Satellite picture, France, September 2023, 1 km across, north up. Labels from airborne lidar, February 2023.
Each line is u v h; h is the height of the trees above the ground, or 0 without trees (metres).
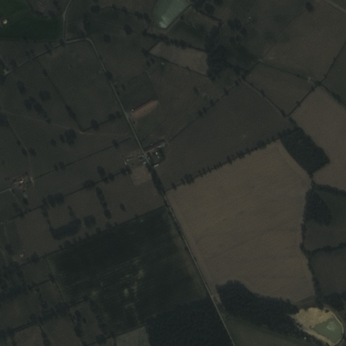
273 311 24
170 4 0
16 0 0
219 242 0
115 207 0
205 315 22
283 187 0
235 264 0
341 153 0
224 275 0
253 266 0
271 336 0
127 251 0
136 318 0
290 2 0
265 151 0
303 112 0
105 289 0
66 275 0
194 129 0
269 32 0
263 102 0
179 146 0
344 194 13
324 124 0
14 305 0
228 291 21
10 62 0
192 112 0
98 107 0
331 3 0
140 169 0
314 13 0
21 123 0
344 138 0
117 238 0
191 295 0
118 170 0
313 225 0
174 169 0
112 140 0
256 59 0
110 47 0
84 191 0
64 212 0
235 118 0
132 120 0
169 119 0
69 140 17
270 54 0
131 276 0
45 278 0
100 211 0
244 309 24
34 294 0
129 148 0
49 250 0
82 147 0
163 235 0
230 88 0
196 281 0
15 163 0
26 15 0
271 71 0
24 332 0
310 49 0
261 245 0
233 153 0
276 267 0
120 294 0
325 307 0
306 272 0
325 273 0
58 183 0
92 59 0
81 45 0
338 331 0
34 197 0
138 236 0
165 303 0
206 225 0
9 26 0
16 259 0
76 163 0
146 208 0
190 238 0
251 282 0
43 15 12
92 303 14
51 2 0
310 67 0
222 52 13
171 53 0
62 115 0
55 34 0
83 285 0
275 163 0
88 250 0
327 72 0
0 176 0
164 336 23
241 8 0
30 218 0
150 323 19
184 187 0
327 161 8
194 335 23
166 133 0
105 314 0
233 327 0
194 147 0
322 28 0
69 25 0
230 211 0
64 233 21
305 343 0
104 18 0
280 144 0
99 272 0
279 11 0
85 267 0
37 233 0
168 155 0
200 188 0
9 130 0
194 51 0
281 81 0
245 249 0
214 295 0
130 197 0
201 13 7
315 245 0
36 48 0
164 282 0
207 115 0
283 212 0
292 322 0
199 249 0
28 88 0
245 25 0
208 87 0
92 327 0
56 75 0
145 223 0
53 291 0
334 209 0
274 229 0
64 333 0
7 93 0
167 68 0
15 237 0
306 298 0
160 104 0
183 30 0
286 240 0
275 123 0
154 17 0
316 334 0
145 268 0
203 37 0
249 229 0
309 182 0
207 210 0
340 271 0
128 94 0
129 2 0
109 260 0
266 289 0
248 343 0
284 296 0
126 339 0
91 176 0
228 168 0
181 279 0
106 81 0
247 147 0
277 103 0
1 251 0
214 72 19
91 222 19
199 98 0
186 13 0
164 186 0
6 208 0
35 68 0
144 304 0
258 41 0
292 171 0
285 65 0
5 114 0
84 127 0
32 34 0
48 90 0
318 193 0
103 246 0
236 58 0
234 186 0
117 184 0
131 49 0
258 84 0
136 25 0
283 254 0
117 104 0
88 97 0
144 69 0
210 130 0
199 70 0
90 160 0
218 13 0
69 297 0
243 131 0
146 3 0
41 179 0
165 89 0
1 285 19
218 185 0
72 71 0
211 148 0
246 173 0
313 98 0
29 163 0
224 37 0
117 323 0
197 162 0
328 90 11
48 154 0
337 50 0
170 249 0
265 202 0
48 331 0
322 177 0
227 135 0
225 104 0
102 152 0
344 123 0
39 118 0
